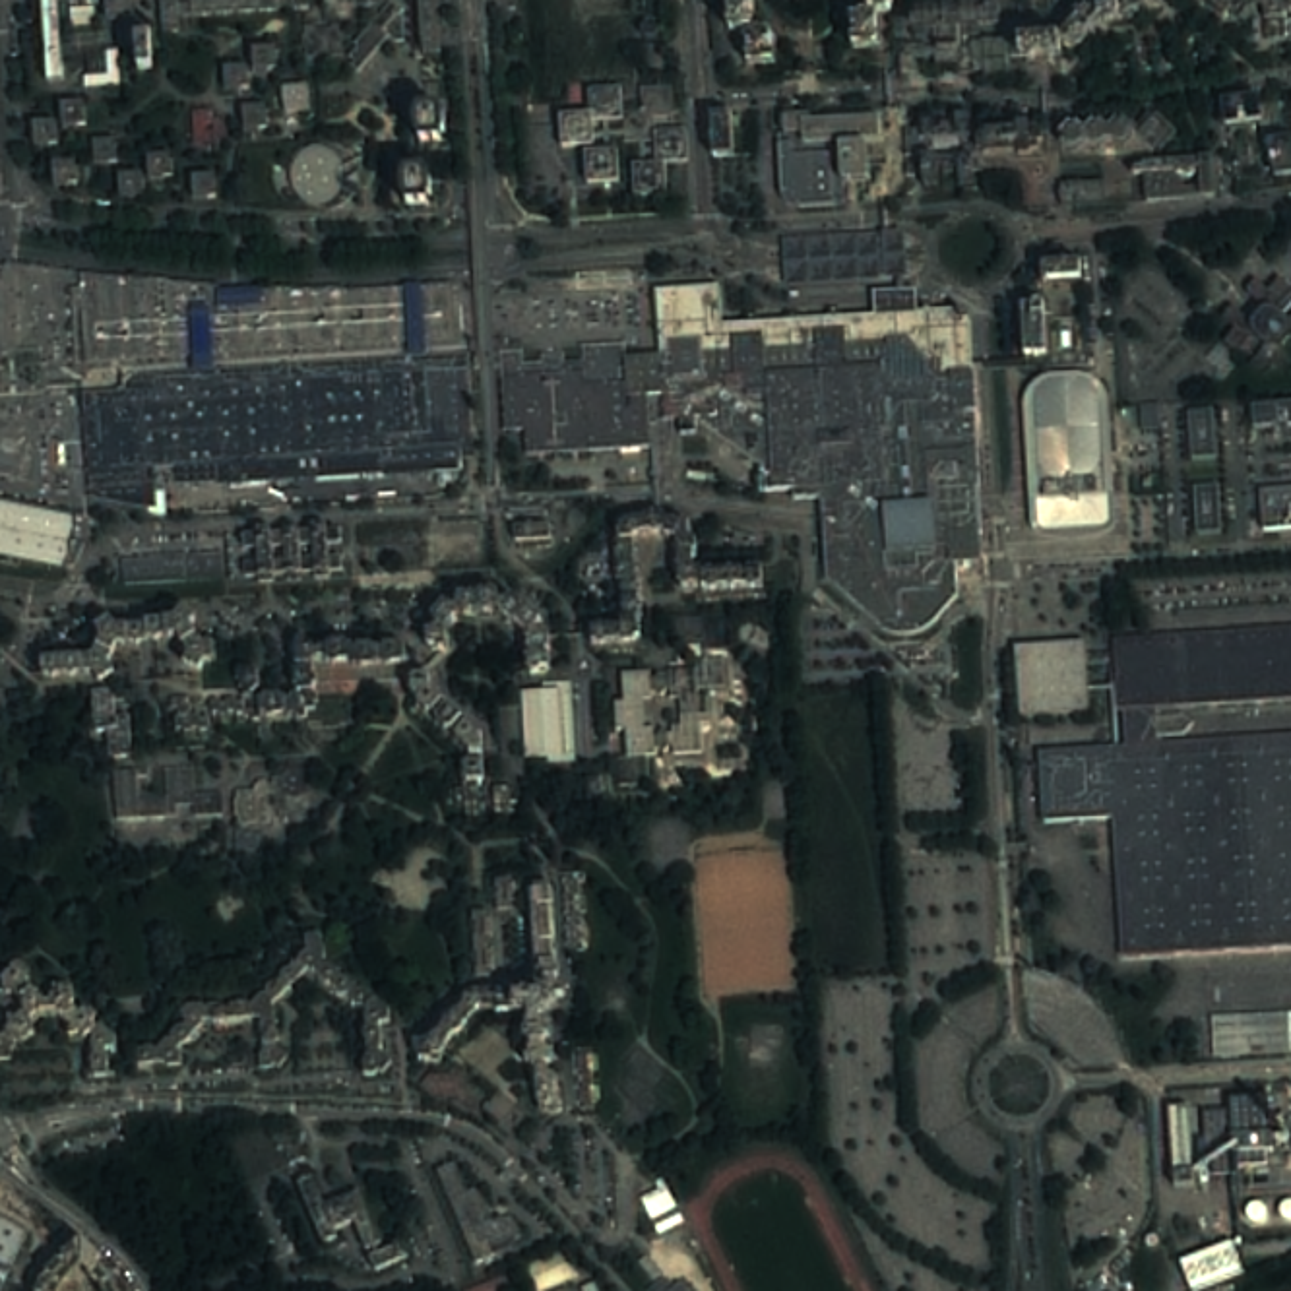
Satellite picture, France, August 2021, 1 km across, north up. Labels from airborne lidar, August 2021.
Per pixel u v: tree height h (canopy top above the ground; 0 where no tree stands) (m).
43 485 0
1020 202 12
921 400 0
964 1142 0
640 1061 0
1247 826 0
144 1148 6
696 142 0
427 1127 10
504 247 0
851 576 0
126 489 0
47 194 0
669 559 0
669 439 0
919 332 0
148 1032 19
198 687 0
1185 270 22
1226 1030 0
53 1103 12
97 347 0
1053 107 0
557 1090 0
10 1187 0
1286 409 0
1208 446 0
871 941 0
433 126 0
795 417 0
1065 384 0
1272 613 0
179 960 19
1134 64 18
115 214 18
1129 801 0
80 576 0
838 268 0
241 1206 11
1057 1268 0
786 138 0
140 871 15
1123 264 17
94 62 0
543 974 0
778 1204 0
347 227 14
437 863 10
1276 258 10
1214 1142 0
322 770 20
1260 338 0
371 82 0
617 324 0
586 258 0
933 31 0
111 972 15
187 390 0
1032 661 0
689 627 0
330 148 0
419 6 0
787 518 0
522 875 6
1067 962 10
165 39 12
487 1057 0
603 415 0
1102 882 0
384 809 6
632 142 0
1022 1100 0
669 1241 0
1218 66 21
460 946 10
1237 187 9
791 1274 0
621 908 15
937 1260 13
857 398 0
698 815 17
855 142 0
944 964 0
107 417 0
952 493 0
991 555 0
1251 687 0
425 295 0
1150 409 0
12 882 17
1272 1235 0
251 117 0
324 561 0
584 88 0
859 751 0
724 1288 0
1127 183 0
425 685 0
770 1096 0
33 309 0
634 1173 0
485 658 13
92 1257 0
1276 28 0
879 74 10
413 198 0
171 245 21
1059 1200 19
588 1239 9
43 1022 14
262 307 0
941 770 0
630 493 0
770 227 8
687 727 0
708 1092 8
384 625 13
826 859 0
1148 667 0
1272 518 0
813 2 20
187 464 0
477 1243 0
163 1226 17
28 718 8
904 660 0
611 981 0
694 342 0
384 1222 7
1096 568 0
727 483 9
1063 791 0
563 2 0
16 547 0
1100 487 0
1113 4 0
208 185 0
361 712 14
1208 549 0
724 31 0
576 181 0
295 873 22
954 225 0
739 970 0
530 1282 19
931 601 0
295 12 12
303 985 19
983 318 0
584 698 0
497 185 0
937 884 0
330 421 0
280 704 0
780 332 0
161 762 0
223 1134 20
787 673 17
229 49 0
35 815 16
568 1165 6
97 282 0
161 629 0
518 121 15
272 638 10
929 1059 0
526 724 0
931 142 0
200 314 0
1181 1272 0
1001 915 0
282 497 0
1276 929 0
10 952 18
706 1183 0
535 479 8
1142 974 0
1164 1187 0
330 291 0
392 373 0
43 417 0
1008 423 0
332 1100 0
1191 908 0
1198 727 0
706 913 0
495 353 0
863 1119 0
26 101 8
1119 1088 7
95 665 0
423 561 0
